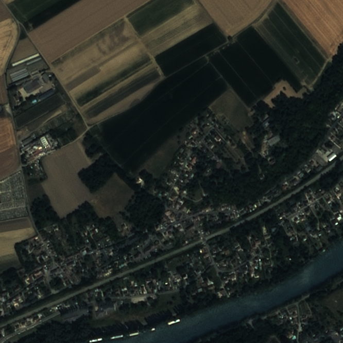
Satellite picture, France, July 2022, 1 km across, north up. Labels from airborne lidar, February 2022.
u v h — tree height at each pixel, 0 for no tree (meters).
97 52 0
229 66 0
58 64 0
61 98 0
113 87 0
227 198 12
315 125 9
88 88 0
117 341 0
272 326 27
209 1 0
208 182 9
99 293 7
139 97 0
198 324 0
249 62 0
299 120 16
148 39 0
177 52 0
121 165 0
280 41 0
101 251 11
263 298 0
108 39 0
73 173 0
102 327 0
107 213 0
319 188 0
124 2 0
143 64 0
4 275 11
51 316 0
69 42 0
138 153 0
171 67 0
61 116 0
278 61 0
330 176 26
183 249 0
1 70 0
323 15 0
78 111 0
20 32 0
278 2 0
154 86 0
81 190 0
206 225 6
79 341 16
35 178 0
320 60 0
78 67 0
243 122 0
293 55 0
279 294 0
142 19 0
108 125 0
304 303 0
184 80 0
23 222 0
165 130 0
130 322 0
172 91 0
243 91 0
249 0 0
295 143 13
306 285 0
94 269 8
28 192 0
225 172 13
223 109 0
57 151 0
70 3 0
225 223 9
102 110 0
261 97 0
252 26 0
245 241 17
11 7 0
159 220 10
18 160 0
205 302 18
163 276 9
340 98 13
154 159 0
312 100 18
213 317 0
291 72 0
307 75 0
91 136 9
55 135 12
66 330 15
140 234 19
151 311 0
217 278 0
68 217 10
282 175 22
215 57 0
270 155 6
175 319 16
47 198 14
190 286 8
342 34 0
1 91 0
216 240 7
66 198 0
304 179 15
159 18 0
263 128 13
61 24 0
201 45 0
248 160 19
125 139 0
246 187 19
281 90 0
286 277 9
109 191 0
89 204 13
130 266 11
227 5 0
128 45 0
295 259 18
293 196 15
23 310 5
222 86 0
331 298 0
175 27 0
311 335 11
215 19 0
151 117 0
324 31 0
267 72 0
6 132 0
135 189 8
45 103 0
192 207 10
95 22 0
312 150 17
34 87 0
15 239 0
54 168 0
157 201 19
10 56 0
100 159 12
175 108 0
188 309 27
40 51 0
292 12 0
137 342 0
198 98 0
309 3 0
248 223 22
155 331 0
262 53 0
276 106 15
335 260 0
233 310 0
